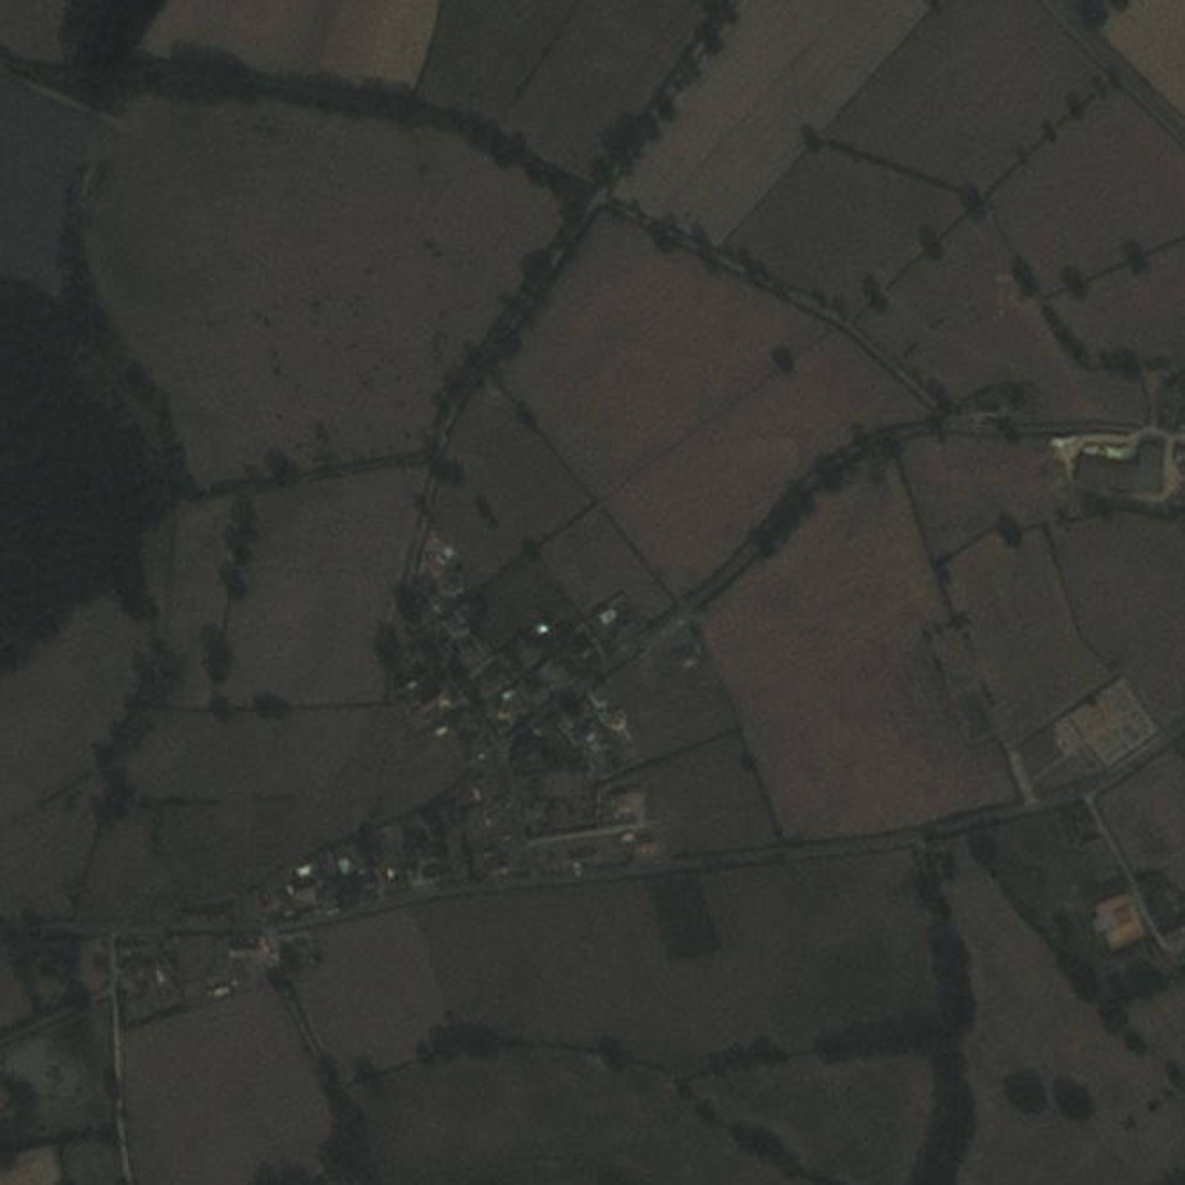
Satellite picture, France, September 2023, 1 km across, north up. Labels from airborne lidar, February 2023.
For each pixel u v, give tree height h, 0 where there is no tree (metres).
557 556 0
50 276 0
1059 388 0
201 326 0
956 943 18
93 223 0
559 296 0
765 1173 0
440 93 0
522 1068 0
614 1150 0
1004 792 0
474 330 0
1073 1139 0
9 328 16
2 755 0
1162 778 0
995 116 0
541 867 0
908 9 0
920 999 0
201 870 0
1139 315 0
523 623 0
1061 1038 0
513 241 0
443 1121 0
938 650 0
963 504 0
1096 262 0
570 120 0
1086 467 0
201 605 0
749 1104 0
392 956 0
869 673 0
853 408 0
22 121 0
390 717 0
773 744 0
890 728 0
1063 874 0
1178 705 0
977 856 17
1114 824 0
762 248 0
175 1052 0
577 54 0
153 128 0
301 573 0
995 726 0
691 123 0
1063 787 0
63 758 0
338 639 0
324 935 0
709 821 0
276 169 0
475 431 0
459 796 0
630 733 0
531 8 0
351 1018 0
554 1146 0
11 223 0
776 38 0
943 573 10
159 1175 0
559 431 0
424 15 0
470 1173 0
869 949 0
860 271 0
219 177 0
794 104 0
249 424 0
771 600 0
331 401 0
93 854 0
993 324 0
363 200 0
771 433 0
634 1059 8
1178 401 0
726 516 0
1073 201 0
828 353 0
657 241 15
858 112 0
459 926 0
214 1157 0
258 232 0
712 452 0
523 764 8
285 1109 0
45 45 0
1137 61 0
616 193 0
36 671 0
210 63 17
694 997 0
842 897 0
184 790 0
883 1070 0
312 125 0
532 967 0
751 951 0
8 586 24
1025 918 8
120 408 14
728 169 0
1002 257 0
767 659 0
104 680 0
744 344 0
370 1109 0
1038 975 0
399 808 0
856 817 0
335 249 0
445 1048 19
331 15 0
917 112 0
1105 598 0
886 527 0
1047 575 0
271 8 0
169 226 0
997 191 0
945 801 0
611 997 0
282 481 17
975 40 0
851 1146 0
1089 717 0
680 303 0
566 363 0
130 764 0
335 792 0
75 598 16
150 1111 0
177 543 0
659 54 0
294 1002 9
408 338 0
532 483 0
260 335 0
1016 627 0
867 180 0
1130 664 0
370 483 0
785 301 12
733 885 0
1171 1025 0
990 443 0
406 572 0
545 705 0
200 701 0
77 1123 0
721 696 0
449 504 0
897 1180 0
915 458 0
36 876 0
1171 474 0
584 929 0
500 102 0
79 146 0
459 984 0
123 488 23
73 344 19
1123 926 0
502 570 0
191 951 0
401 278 0
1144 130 0
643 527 0
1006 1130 0
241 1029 0
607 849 0
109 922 0
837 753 0
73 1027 0
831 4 0
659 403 0
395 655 15
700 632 0
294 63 0
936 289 0
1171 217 0
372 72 0
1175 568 0
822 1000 0
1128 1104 0
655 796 0
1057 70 0
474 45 0
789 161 0
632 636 0
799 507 15
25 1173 0
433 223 0
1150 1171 0
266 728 0
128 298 0
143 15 6
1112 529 0
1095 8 16
